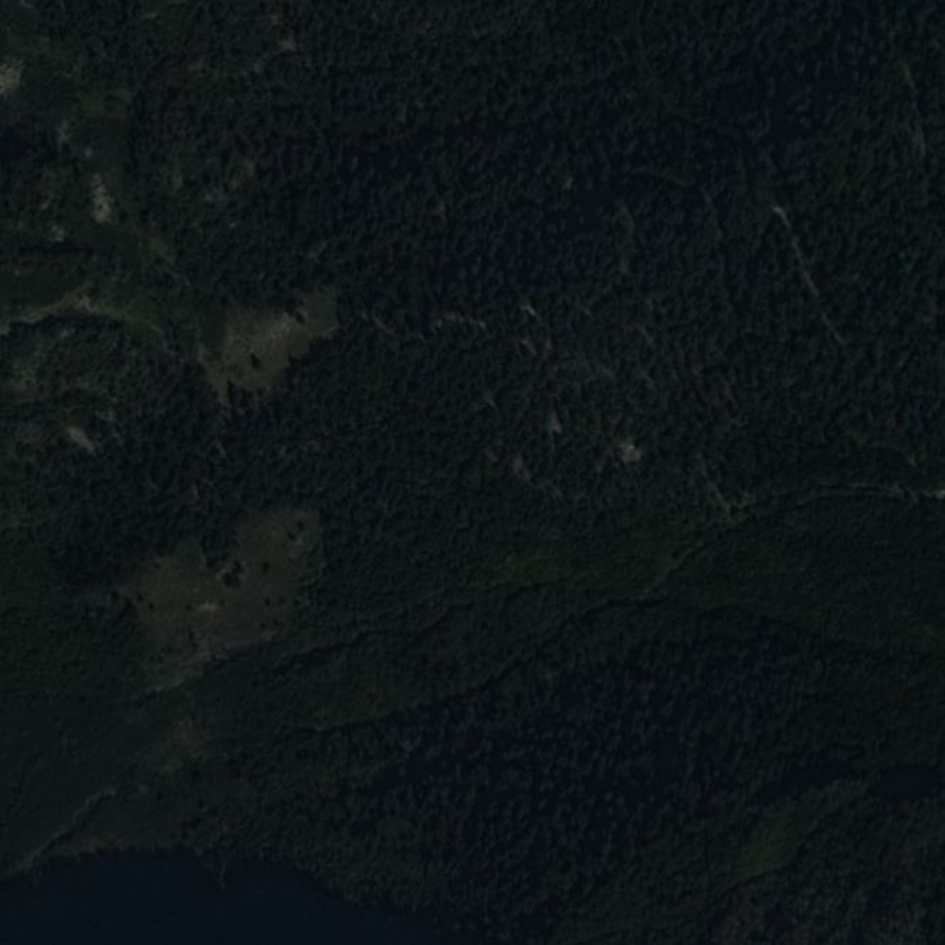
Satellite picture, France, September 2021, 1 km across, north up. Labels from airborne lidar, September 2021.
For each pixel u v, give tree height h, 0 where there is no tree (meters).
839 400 12
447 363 23
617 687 26
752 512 10
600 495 28
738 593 8
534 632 9
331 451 7
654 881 13
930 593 17
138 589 0
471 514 24
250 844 6
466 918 8
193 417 13
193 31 10
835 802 7
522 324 21
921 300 35
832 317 12
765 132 32
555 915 14
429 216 23
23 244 8
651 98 8
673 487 10
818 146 17
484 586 7
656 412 19
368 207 26
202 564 0
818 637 10
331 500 15
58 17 8
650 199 9
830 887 10
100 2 7
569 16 14
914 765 10
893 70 20
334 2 25
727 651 22
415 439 21
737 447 13
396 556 11
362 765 6
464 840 8
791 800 11
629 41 10
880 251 22
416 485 15
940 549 18
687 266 14
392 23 21
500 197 7
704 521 15
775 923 13
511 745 6
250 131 10
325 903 7
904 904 8
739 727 26
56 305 0
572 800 16
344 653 7
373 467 14
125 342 15
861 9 15
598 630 9
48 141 7
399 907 7
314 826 14
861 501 15
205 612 0
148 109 9
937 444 13
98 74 16
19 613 11
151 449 13
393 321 14
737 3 16
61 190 8
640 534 13
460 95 14
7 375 13
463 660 6
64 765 0
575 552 10
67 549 11
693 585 8
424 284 7
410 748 10
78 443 6
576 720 20
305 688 6
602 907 9
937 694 12
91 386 8
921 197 13
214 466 8
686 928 7
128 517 25
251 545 0
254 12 8
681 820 19
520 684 6
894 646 7
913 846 9
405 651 6
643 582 9
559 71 9
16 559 10
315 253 13
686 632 13
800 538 15
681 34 9
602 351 27
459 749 6
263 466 18
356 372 15
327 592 11
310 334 0
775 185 10
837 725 17
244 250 7
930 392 14
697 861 7
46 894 0
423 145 7
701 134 10
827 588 10
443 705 9
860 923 8
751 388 24
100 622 7
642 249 7
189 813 0
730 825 11
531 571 9
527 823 12
